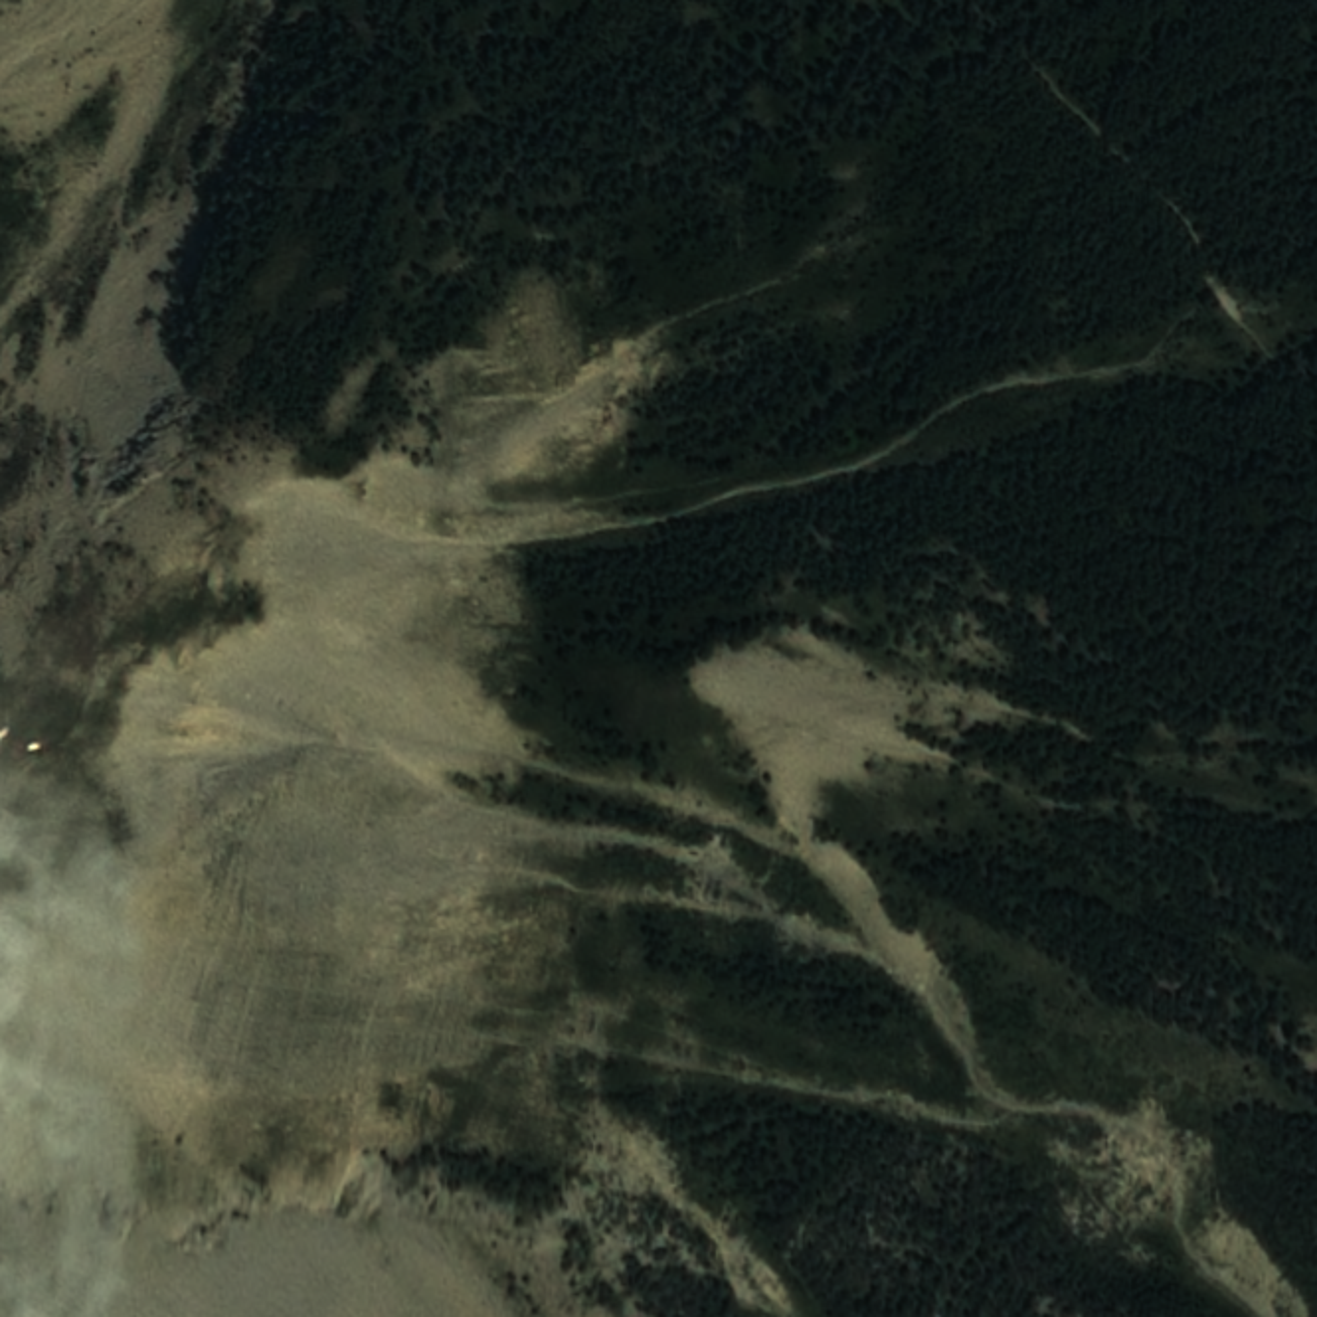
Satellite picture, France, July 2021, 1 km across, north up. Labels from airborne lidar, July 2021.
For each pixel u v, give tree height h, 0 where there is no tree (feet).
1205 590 61
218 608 0
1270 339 0
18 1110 0
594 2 28
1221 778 0
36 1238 0
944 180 25
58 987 0
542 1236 0
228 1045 0
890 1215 32
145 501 0
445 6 32
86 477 20
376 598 0
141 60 0
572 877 0
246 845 0
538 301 0
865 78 64
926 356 61
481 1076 0
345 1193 0
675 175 53
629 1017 0
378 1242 0
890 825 0
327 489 0
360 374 0
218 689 0
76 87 0
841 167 0
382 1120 0
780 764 0
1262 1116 35
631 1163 0
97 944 0
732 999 21
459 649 0
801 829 0
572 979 0
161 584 0
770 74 62
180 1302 0
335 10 39
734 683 0
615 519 0
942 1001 0
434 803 0
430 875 0
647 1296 34
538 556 21
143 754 0
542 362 0
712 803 0
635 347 0
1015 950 0
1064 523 63
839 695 0
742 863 0
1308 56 81
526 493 0
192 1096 0
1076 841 24
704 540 49
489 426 0
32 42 0
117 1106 0
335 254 31
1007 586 64
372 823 0
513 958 0
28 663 0
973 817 0
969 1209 37
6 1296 0
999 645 26
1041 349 47
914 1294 51
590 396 0
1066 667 57
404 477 0
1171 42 65
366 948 0
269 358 30
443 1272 0
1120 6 70
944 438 0
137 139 0
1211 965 35
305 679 0
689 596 68
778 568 37
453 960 0
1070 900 52
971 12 62
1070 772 24
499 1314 0
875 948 0
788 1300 0
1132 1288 29
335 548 0
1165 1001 51
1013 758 41
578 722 25
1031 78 44
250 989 0
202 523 0
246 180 45
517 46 80
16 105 0
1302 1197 19
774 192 45
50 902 0
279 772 0
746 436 45
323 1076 0
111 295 0
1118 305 66
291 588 0
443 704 0
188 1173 0
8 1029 0
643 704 0
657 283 0
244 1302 0
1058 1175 20
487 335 0
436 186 52
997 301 58
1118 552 64
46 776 0
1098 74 30
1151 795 51
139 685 0
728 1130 29
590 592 48
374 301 32
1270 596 71
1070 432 35
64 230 0
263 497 0
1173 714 72
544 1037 0
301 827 0
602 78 38
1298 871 48
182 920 0
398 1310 0
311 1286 0
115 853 0
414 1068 0
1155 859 54
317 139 41
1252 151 57
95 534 0
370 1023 0
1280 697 42
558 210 47
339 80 53
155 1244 0
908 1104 0
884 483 60
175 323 29
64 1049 0
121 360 0
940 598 30
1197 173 58
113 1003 0
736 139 75
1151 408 54
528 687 44
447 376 0
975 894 49
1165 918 29
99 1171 0
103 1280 0
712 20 28
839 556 60
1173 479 55
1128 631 57
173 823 0
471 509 0
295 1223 0
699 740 0
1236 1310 0
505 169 59
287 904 0
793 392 54
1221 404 77
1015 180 40
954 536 40
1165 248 47
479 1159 44
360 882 0
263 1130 0
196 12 0
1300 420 37
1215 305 46
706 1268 29
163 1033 0
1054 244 28
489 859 0
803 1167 50
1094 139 38
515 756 0
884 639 32
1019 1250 55
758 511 33
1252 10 90
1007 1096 0
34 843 0
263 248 32
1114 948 47
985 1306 54
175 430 0
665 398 23
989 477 59
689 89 34
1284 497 43
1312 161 63
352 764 0
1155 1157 0
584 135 38
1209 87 75
